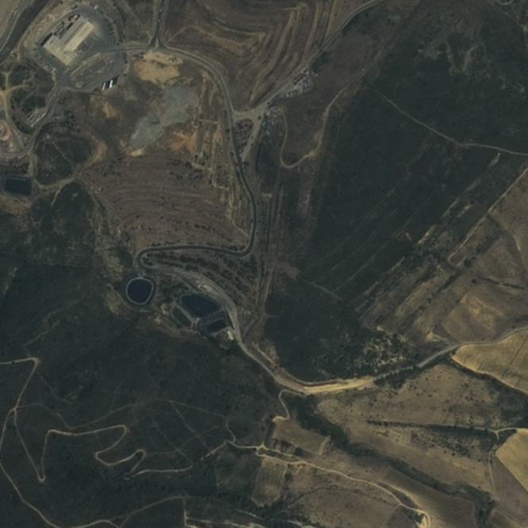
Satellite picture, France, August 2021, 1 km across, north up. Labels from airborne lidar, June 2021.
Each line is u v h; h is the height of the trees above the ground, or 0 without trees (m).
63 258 0
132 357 0
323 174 0
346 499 0
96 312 0
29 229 0
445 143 0
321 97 0
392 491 0
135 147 0
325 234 0
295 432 0
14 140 0
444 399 0
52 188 0
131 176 0
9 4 0
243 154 0
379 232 0
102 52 0
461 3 0
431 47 0
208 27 0
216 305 0
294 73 0
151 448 0
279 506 9
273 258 0
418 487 0
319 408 0
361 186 0
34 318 0
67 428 0
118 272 0
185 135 0
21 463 0
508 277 0
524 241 0
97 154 0
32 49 0
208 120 0
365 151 0
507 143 0
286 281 0
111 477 7
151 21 0
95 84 0
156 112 0
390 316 0
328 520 0
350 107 0
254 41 0
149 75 0
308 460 0
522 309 0
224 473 0
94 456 0
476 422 0
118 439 0
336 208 0
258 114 0
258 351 0
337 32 0
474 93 0
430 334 0
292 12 0
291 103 0
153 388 0
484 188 0
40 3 0
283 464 0
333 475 0
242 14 0
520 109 0
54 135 0
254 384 0
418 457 0
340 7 0
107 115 0
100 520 0
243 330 0
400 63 0
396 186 0
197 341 0
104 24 0
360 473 0
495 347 0
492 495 0
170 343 0
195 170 0
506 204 0
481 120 0
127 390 0
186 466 7
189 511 0
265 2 0
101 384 0
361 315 0
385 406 0
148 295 0
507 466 0
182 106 0
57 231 0
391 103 0
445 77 0
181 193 0
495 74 0
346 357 0
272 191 0
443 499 0
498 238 0
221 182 0
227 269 0
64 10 0
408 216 0
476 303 0
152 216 0
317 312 0
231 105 0
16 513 0
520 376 0
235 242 0
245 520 0
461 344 0
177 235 0
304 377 0
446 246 0
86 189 0
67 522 0
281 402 0
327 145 0
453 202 0
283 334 0
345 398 0
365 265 0
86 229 0
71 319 0
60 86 0
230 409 12
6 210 0
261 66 0
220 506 0
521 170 0
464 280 0
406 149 0
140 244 0
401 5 0
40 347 0
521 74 0
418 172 0
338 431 0
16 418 0
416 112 0
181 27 0
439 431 0
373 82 0
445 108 0
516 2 0
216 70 0
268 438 7
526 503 0
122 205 0
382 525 0
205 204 0
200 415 0
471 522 0
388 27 0
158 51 0
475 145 0
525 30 0
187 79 0
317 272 0
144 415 0
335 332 0
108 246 0
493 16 0
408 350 0
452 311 0
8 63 0
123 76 0
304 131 0
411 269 6
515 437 0
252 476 0
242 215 0
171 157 0
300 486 0
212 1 0
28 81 0
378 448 0
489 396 0
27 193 0
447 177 0
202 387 0
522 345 0
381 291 0
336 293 0
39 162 0
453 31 0
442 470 0
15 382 0
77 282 0
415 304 0
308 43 0
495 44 0
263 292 0
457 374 0
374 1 0
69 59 0
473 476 0
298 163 0
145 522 0
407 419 0
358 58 0
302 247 0
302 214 0
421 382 0
